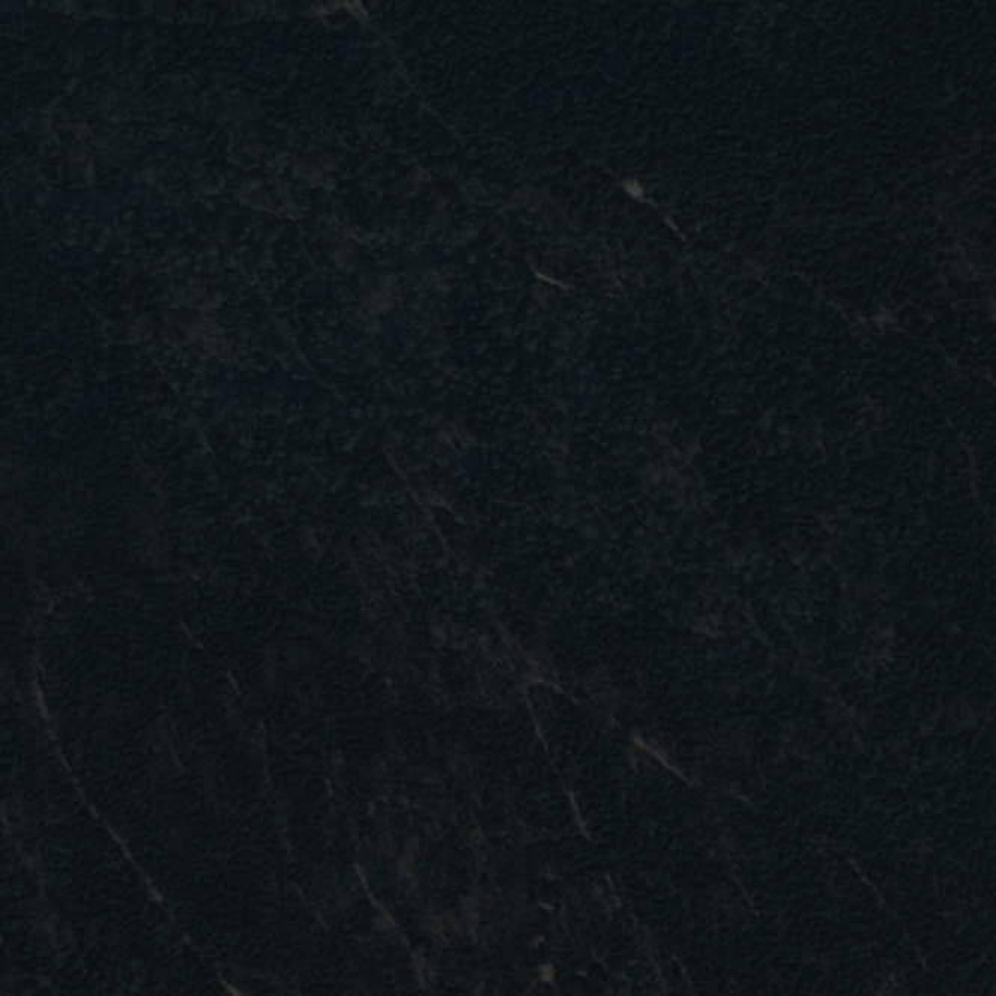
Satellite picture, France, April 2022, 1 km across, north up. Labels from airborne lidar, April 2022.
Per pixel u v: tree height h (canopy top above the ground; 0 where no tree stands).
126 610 23
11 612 25
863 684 18
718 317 32
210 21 23
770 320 30
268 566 17
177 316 30
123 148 29
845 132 24
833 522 26
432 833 16
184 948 27
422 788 21
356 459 31
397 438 28
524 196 26
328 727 26
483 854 17
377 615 22
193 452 18
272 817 24
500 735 22
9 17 28
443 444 35
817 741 29
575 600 15
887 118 29
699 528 37
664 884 26
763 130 22
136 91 30
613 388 34
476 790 18
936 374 29
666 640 27
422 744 18
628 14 31
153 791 28
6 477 19
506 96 34
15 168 22
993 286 22
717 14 25
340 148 34
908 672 25
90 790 22
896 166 23
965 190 20
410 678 22
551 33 29
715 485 30
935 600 24
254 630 22
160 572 25
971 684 29
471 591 30
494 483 20
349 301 27
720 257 25
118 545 24
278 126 7
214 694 25
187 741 25
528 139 30
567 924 21
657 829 20
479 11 31
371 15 17
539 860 22
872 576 29
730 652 26
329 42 28
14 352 24
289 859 21
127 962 25
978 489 25
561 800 22
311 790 18
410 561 19
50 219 23
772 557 29
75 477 21
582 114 24
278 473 24
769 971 28
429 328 30
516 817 18
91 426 17
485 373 12
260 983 12
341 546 24
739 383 27
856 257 17
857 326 25
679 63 22
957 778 37
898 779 21
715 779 25
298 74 22
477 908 19
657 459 25
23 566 22
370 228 26
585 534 27
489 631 29
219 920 27
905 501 28
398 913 22
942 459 18
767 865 29
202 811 28
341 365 17
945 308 24
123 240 14
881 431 26
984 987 28
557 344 26
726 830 31
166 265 31
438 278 28
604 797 25
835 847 16
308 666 18
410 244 21
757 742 25
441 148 25
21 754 28
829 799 29
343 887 16
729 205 20
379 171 31
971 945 25
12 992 34
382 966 25
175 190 29
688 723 20
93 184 14
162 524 23
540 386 27
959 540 29
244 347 22
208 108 33
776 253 26
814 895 22
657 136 21
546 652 22
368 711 20
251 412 23
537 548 19
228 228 32
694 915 26
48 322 26
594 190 30
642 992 13
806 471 31
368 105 25
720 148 25
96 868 29
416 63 22
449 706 25
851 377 29
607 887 19
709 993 27
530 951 21
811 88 26
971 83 20
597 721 15
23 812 26
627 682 26
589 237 29
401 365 27
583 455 19
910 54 27
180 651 24
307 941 22
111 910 30
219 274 34
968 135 25
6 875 25
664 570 24
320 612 20
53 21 32
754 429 26
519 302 32
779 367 25
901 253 27
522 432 22
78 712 23
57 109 26
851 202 24
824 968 17
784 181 27
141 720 21
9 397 25
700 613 24
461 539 25
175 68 30
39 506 22
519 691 15
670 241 31
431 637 21
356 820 16
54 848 25
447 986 23
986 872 30
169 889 25
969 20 23
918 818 12
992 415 31
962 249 17
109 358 27
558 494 31
